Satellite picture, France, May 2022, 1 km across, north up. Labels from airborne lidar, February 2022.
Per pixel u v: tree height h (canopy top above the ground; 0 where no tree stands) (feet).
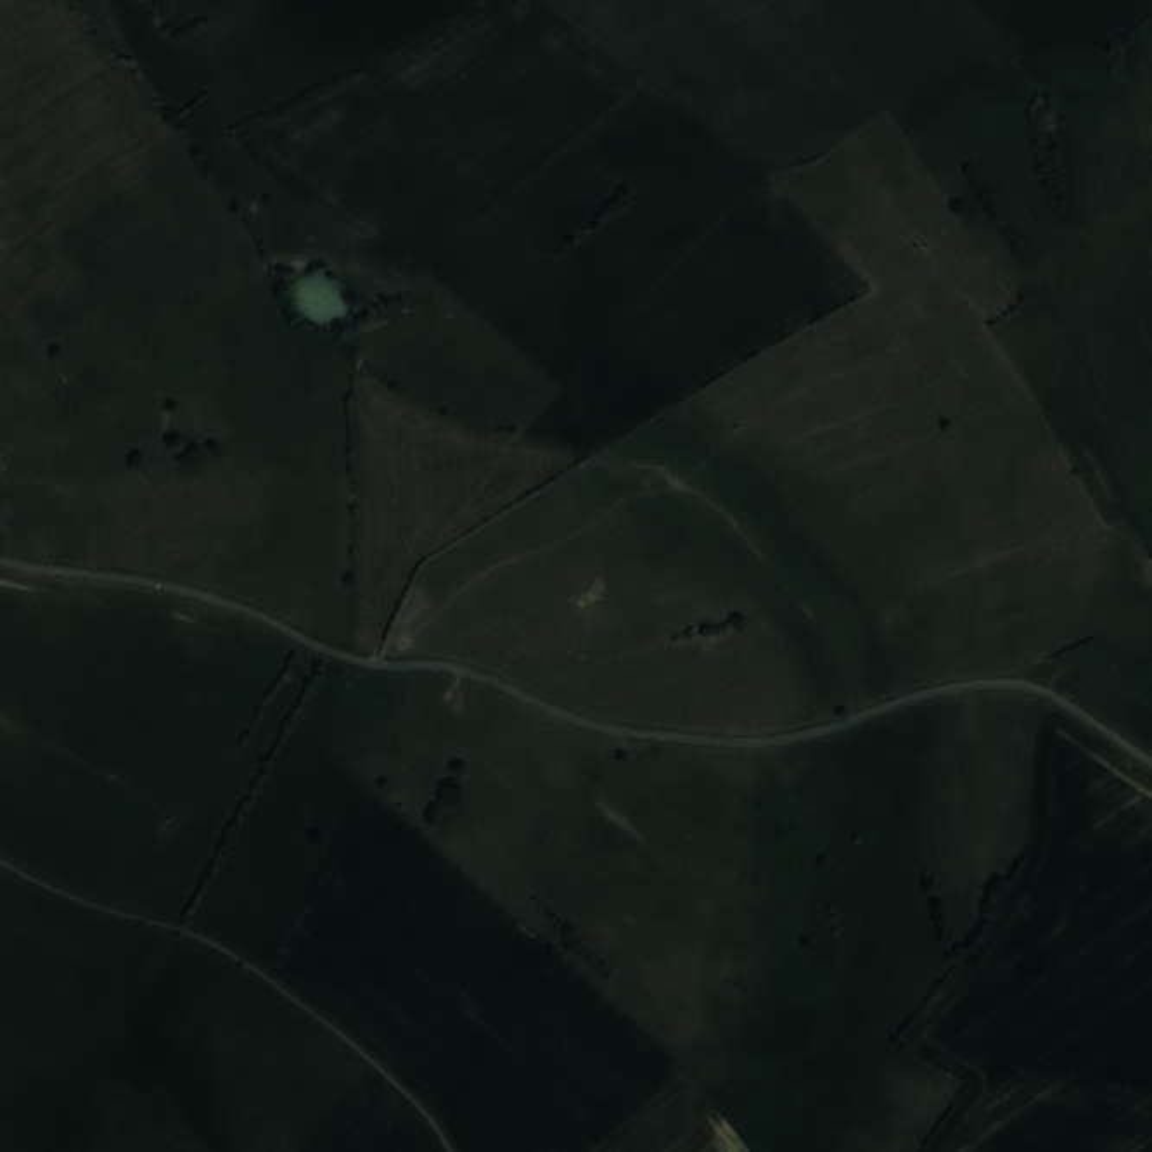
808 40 0
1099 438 0
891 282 0
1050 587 0
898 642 0
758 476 0
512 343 0
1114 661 0
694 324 0
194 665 0
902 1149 0
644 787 0
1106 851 0
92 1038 0
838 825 0
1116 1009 0
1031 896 0
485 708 0
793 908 0
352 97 0
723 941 0
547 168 0
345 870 0
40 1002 0
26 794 0
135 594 0
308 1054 0
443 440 0
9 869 0
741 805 0
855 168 0
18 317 0
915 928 0
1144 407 0
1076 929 0
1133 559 0
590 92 0
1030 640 0
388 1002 0
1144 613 0
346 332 46
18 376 0
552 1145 0
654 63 0
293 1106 0
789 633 0
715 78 0
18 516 0
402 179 0
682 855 0
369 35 0
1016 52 0
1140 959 0
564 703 0
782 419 0
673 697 0
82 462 0
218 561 0
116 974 0
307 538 0
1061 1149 0
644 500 0
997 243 0
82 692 0
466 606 0
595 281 0
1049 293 0
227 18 0
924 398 0
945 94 0
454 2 0
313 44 0
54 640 0
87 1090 0
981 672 0
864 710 0
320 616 0
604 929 0
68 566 0
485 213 0
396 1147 0
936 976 0
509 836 0
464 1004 0
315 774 0
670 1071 0
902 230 0
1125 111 0
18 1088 0
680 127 0
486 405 0
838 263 0
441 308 0
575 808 0
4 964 0
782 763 0
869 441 0
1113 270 0
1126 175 0
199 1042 0
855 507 0
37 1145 0
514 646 0
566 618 0
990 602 0
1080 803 0
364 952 0
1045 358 0
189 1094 0
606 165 0
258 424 0
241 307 0
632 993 0
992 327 21
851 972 0
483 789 0
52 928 0
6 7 0
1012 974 0
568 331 0
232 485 0
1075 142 0
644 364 0
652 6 0
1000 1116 0
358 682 0
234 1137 0
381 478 0
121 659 0
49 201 0
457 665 0
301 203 0
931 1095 0
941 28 0
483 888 0
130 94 0
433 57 0
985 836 0
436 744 0
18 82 0
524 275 0
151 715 0
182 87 0
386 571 0
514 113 0
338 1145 0
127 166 0
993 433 0
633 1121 0
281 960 0
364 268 0
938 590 0
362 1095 0
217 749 0
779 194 0
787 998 0
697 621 0
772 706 0
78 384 0
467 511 0
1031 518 0
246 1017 0
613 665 0
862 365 0
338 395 0
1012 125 0
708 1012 0
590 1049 0
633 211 0
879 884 0
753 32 0
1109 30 0
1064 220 0
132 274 0
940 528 0
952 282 0
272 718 0
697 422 0
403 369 0
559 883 0
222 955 0
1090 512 0
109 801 0
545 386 0
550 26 0
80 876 0
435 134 0
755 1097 0
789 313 0
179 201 0
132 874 0
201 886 22
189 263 0
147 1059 0
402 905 0
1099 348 0
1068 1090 0
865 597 0
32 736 0
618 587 0
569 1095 0
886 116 0
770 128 0
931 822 0
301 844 0
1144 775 0
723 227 0
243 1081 0
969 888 0
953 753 0
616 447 0
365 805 0
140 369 0
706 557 0
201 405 0
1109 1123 0
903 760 0
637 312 0
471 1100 0
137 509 0
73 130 0
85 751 0
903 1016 0
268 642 0
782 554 0
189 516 0
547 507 0
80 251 0
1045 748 0
